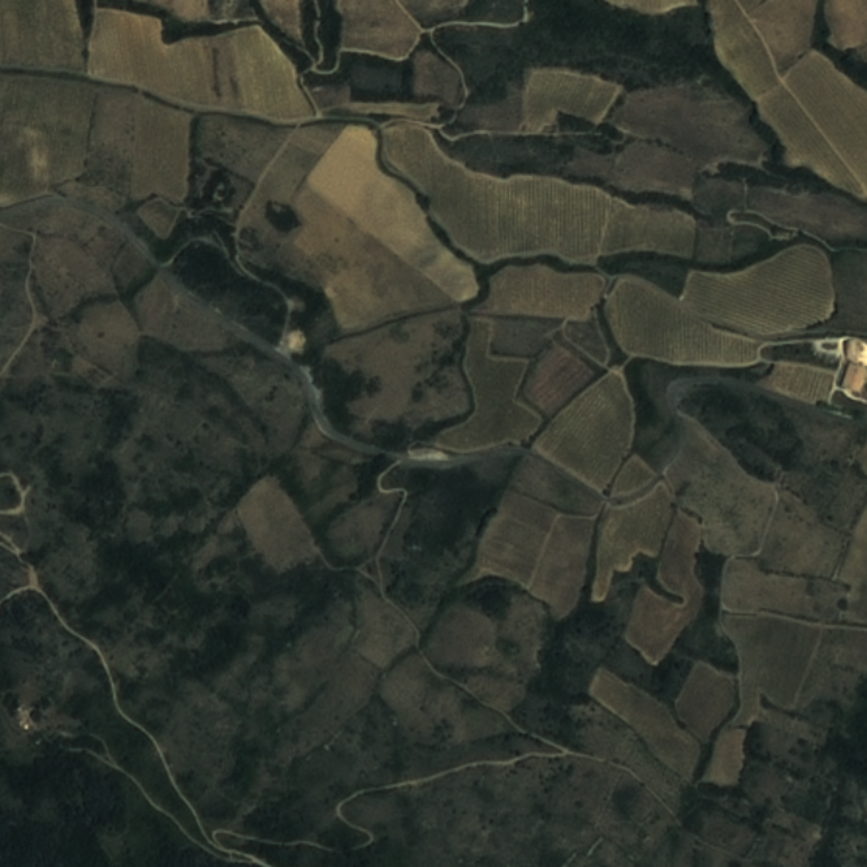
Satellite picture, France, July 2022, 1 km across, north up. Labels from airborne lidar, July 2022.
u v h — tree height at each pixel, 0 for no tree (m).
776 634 0
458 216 0
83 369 0
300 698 0
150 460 0
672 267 0
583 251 0
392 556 0
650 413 0
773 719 0
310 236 0
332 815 0
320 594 6
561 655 9
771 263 0
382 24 0
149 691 0
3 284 0
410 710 0
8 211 0
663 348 0
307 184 0
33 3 0
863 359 0
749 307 0
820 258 0
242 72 0
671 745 0
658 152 0
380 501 0
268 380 0
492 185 0
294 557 0
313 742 0
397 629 0
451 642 0
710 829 0
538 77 0
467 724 0
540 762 0
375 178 0
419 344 0
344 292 0
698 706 0
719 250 0
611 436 0
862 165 0
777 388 0
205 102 0
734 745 0
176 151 0
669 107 0
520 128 0
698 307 0
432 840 0
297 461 0
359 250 0
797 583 0
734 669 7
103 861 6
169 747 0
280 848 7
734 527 0
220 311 0
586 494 0
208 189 9
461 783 0
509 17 0
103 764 0
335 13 7
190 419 0
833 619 0
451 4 0
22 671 0
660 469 0
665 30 7
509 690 0
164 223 0
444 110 7
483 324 0
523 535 0
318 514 0
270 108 0
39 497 0
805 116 0
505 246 0
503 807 0
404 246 0
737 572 0
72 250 0
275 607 0
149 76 0
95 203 0
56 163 0
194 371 0
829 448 0
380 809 0
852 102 0
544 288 0
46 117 0
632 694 0
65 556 0
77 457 0
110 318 0
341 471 0
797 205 0
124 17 0
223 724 0
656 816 0
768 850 0
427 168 0
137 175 0
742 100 0
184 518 0
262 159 0
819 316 0
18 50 0
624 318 0
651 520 0
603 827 0
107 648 0
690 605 0
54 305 0
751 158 0
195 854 10
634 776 0
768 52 0
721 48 0
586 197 0
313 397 0
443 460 0
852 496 0
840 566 0
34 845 9
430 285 0
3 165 0
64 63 0
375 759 0
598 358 0
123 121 0
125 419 6
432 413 0
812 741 0
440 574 0
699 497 0
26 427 0
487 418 0
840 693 0
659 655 0
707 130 0
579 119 6
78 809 10
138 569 6
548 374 0
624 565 0
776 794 0
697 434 0
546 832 0
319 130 0
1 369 0
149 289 0
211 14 0
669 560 0
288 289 7
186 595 7
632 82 7
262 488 0
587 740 0
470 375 0
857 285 0
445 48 6
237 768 5
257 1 6
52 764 7
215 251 5
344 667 0
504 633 0
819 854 8
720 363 0
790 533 0
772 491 0
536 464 0
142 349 0
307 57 7
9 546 0
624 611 0
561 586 0
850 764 8
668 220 0
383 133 0
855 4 0
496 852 0
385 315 0
